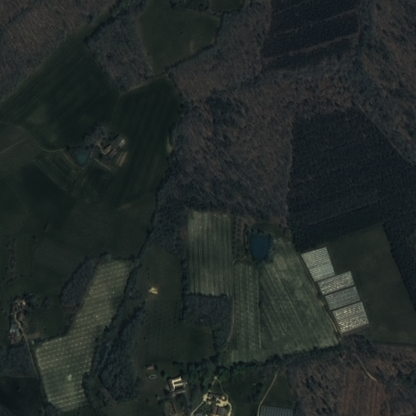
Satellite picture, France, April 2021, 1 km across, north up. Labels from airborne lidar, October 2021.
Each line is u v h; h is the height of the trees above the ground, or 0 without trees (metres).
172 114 0
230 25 17
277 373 18
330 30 9
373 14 19
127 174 0
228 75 19
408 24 17
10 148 0
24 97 0
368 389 9
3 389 0
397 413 17
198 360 0
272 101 13
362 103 12
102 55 25
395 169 13
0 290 5
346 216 10
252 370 21
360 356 23
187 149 24
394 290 0
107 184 0
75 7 21
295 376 17
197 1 0
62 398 0
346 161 13
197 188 18
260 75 16
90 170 0
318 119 13
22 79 28
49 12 23
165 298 0
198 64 19
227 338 21
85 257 0
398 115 14
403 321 0
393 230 14
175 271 0
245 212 20
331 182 16
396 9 19
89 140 19
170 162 13
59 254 0
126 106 0
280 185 18
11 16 15
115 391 19
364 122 12
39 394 0
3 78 24
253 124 14
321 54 9
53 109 0
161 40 0
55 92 0
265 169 25
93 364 9
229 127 28
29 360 21
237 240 7
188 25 0
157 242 6
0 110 0
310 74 11
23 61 24
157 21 0
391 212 13
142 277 0
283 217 16
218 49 18
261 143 20
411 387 16
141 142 0
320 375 22
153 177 0
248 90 11
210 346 0
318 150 14
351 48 8
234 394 0
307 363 23
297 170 12
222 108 22
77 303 23
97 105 0
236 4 0
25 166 0
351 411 12
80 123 0
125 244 0
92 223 0
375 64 18
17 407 0
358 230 13
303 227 10
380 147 12
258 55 12
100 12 19
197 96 18
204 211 20
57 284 0
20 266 0
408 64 13
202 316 21
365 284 0
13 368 16
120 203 0
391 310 0
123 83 23
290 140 16
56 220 0
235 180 19
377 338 0
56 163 0
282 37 10
